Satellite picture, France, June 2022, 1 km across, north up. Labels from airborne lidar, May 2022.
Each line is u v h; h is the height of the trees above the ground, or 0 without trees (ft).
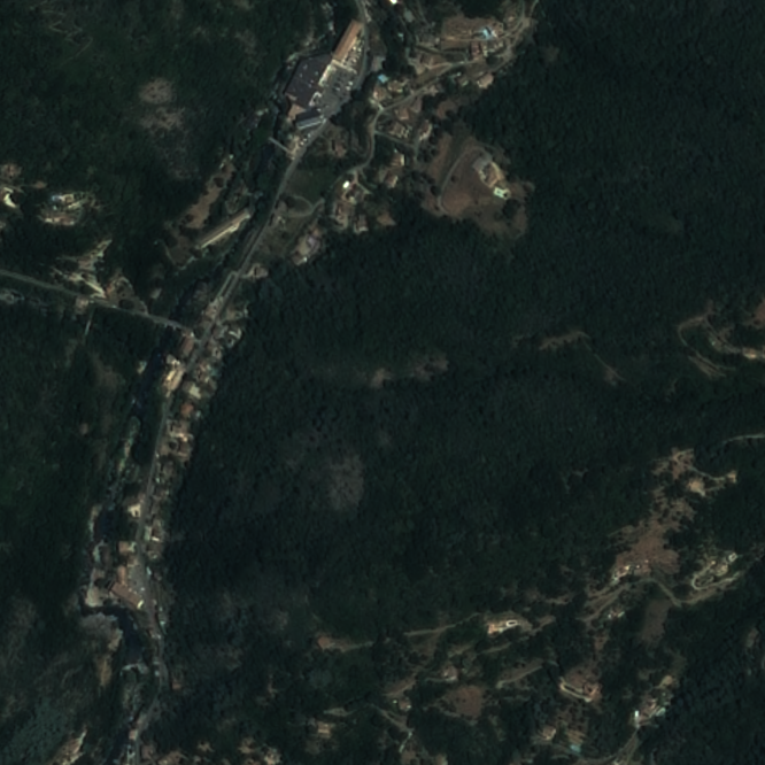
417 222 45
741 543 43
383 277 34
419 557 31
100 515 0
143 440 70
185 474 25
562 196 35
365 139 29
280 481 37
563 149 34
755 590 73
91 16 19
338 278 36
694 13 29
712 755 37
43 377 30
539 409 23
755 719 23
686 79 45
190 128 43
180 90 19
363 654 32
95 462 41
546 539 50
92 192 26
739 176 47
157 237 25
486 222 0
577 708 23
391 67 49
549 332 24
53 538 37
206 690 22
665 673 39
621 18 52
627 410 25
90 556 0
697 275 35
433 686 60
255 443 45
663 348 17
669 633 38
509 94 26
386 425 26
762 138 41
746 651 25
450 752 41
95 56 22
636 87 46
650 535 0
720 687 19
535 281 26
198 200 39
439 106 22
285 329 25
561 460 37
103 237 20
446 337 30
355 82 0
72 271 43
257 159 25
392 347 36
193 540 41
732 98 34
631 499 49
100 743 18
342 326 56
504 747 40
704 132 34
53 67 40
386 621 20
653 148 27
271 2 21
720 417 30
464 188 0
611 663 32
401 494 52
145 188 55
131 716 0
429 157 28
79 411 80
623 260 37
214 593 28
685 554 25
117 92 44
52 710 52
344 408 29
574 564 52
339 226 34
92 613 0
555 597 37
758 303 30
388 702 23
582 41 59
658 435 46
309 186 0
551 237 23
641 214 35
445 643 25
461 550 51
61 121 63
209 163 59
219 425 41
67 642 24
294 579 31
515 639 49
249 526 34
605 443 37
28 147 61
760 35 32
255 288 25
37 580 49
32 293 60
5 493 28
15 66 57
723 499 42
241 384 44
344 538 33
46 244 50
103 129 44
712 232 31
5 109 56
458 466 52
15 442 32
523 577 33
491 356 25
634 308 62
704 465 58
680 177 24
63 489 51
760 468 54
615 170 43
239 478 70
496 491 40
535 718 50
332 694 32
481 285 22
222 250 29
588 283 19
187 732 38
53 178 59
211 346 0
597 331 22
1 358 37
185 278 48
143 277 34
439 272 36
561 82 34
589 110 37
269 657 23
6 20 41
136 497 37
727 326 28
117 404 40
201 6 28
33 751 80
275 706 40
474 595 25
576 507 43
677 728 30
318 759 22
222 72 31
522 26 0
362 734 24
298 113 0
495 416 21
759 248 26
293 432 24
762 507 45
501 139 28
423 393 38
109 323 78
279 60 41
